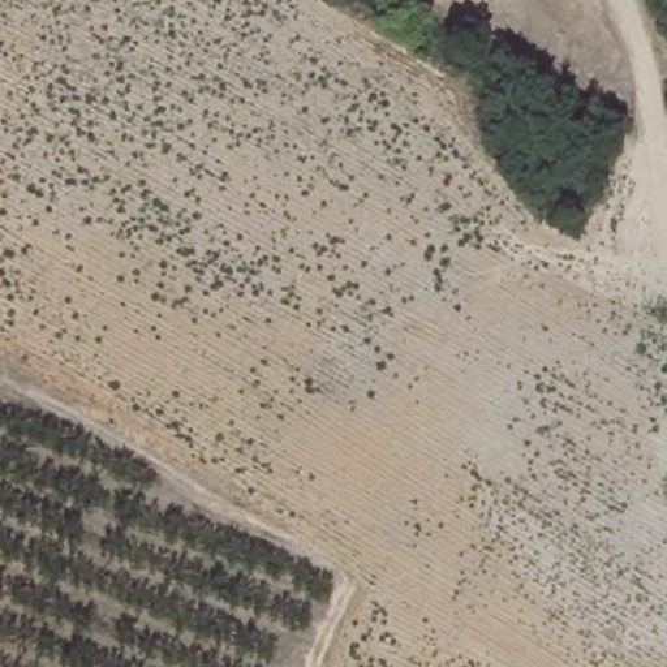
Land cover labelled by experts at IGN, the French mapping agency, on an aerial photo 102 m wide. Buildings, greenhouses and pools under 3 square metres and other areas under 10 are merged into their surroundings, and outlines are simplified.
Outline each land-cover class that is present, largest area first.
<instances>
[{"label":"herbaceous vegetation","instance_id":"1","mask_svg":"<svg viewBox=\"0 0 667 667\"><path fill-rule=\"evenodd\" d=\"M409 128H419L430 141H435V154H419L417 162L427 167V175H435L440 180L448 172L451 177H459L466 172L472 182L482 188V206H490V211H485L482 216L485 227H498L503 221L513 232L524 234L526 224L534 216L524 206V201H518V195L508 188L503 175L495 169V162L479 146L474 96L469 91L466 76H448L435 63L417 57L406 44L378 34L370 26V21L354 18L339 0H0V323H5L8 310H16L13 336L18 339V347H23L29 354H42L50 362L44 378L52 375L57 388H81L104 401L102 409L73 406L31 386L26 399L34 406L83 425L107 446L133 451L135 456L146 459L159 477L180 487V492L185 495L180 505L185 513L203 511L214 521L234 524L255 537L274 542L276 547L289 550L292 555L307 558L313 565L331 571L334 586L341 578H347L354 594L334 631L331 646L320 667H667V419L659 422V433H631L633 422H625L628 406L615 404L607 396H599L597 391H591V383H576V388H568L558 383L552 393H537L532 383L516 380V393L524 404V414L518 419H532L534 427L526 433V440L532 443L521 448L526 472H521L513 479L508 477V472H498L492 477L495 485L482 487L477 492L472 490V477L461 469V464H451V459L427 451L425 461L417 464V469L406 472V479L401 485L404 490H412L419 498L417 508L422 534H414L409 539V547L399 550L391 558V568L380 578L370 571H360V534H344L349 518H334V513L326 508L297 511V518H289V511L294 508L268 490L274 479L271 474L253 472V456L268 461V446L274 440H281V419L287 417L326 419L328 404L349 406L354 412L360 404L375 399L373 388L380 383L383 375L393 378V370L386 362L375 360V352L362 344V339H375L378 331L391 320V315H383L380 307H375V300L362 294L360 289L344 297L328 292L318 297V307H323V313H315V307H307L305 302L300 305V310L281 305L279 297H274L271 287H263L261 294H253V276L261 274L263 266L274 274H281L279 255H266L261 245L253 248V261H248L245 266H227L216 250H193L188 234L193 224L201 219V177L219 180V172H227L224 162L211 154L214 143L219 141L216 133L229 135V151L240 149L245 141L255 143L263 159L268 162L271 177H289V172H297V190L302 193V198H307L318 182L331 185L334 180H344L349 175H354V180L378 177V182H386V175H393V185H401V180L406 177L404 151L409 149ZM373 602H380L388 610V623H375L373 638L365 646H357L354 638H360L370 628ZM594 323L602 331V336H638L636 352L625 362V373L636 375V391L649 393V401L641 404V409L662 406L659 399L667 396V300H659L657 305H625L620 297L610 300V315Z\"/></svg>","mask_w":667,"mask_h":667},{"label":"plowed land","instance_id":"2","mask_svg":"<svg viewBox=\"0 0 667 667\"><path fill-rule=\"evenodd\" d=\"M617 0H492V29H511L521 34L539 50L550 52L558 63H571V73L576 76V83L581 89L597 81L599 89L612 91L617 99L628 104V109H633L636 78L631 50L617 29V21L612 18V5ZM219 141L214 143L211 154L224 162L227 172H219V180L201 177V219L193 224L188 234L193 250H216L227 266H245L248 261H253V248L261 245L266 255H279L281 274H274L263 266L261 274L253 276V294H261L263 287H271L274 297H279L281 305L300 310V305L305 302L307 307H315V313H323V307H318V297L328 292L344 297L360 289L362 294L375 300V307H380L383 315H391V320L378 331L375 339H362V344L375 352V360L386 362L393 370V378L383 375L380 383L373 388L375 399L360 404L354 412L349 406L328 404L326 419L287 417L281 419V440H274L268 446V461L253 456V472L271 474L274 479L268 490L294 508L289 511V518H297V511L326 508L334 513V518H349L344 534H360V571H370L380 578L391 568V558L399 550L409 547V539L414 534H422L417 508L419 498L412 490H404L401 485L406 479V472L417 469V464L425 461L427 451L451 459V464H461V469L472 477V490L477 492L482 487L495 485L492 477L498 472H508V477L513 479L521 472H526L521 448L532 443L526 440V433L534 427L532 419H518L524 414V404L516 393V380L532 383L537 393H552L558 383L568 388H576V383H591V391H597L599 396H607L615 404L628 406L625 422H633L631 433H659V422L667 419V396L659 399L662 406L641 409V404L649 401V393L636 391V375L625 373V362L636 352L638 336H602V331L594 323L610 315V300L599 297L597 292H584L576 284H568L563 276H542V281L532 276L521 279V261L508 258L498 242H485V227L482 216L485 211H490V206H482V188L472 182L466 172L459 177H451L448 172L440 180L435 175H427V167L417 162L419 154H435V141H430L419 128H409V149L404 151L406 177L401 180V185H393V175H386V182H378V177L354 180V175H349L344 180H334L331 185L318 182L307 198H302V193L297 190V172H289V177H271L268 162L263 159L255 143L245 141L240 149L229 151V135L216 133ZM16 310H8L5 323H0V401H18L34 406L26 399L31 386L73 406L102 409L104 401L81 388H57L52 375L44 378L50 362L42 354H29L23 347H18V339L13 336ZM146 503H156L159 508L180 505L185 495L180 492V487L159 477L146 490ZM0 565H5L13 576L34 578L36 584H44V573L39 568H26L23 560H10L0 552ZM375 623H388V610L380 602H373L370 628L360 638H354L357 646H365L373 638ZM255 625L261 631L276 633V651L271 667H305V654L313 641L310 625L305 631H292L281 620L261 615Z\"/></svg>","mask_w":667,"mask_h":667},{"label":"deciduous trees","instance_id":"3","mask_svg":"<svg viewBox=\"0 0 667 667\"><path fill-rule=\"evenodd\" d=\"M354 18L370 21V26L378 34L406 44L417 57L435 63L448 76H466L469 91L474 96L479 146L495 162V169L503 175L508 188L518 195V201H524V206L534 216L568 237L584 234V227L594 206H599L610 195L612 167L623 154L625 135L636 128L633 109H628V104L617 99L612 91L599 89L597 81L581 89L576 83V76L571 73V63H558L550 52L539 50L521 34L511 29H492V0H339ZM657 29L651 34V52L659 78L664 83L667 107V0H641ZM159 477L146 459L135 456L133 451L107 446L83 425L34 406L18 401H0V552L10 560H23L26 568H39L44 573V584H36L34 578L13 576L5 565H0V667H271L276 651V633L261 631L255 625L261 615L281 620L292 631H305L310 625L323 620L334 586L331 571L313 565L307 558L292 555L289 550L276 547L274 542L255 537L234 524L214 521L203 511L185 513L180 505L159 508L156 503H146V490Z\"/></svg>","mask_w":667,"mask_h":667},{"label":"pervious surface","instance_id":"4","mask_svg":"<svg viewBox=\"0 0 667 667\"><path fill-rule=\"evenodd\" d=\"M612 18L617 21V29L631 50L636 78L633 109L636 128L625 135L623 154L612 167L610 195L599 206H594L584 227V234L568 237L534 216L526 224L524 234L513 232L503 221L498 227H485V242H498L508 258L521 261V279L532 276L542 281V276H563L568 284H576L584 292H597L599 297L610 300L620 297L625 305H657L659 300H667V107L664 83L659 78L651 52V34L657 29L641 0H617L612 5ZM354 594L347 578H341L334 586L323 620L310 625L313 641L305 654V667H320L331 646L334 631Z\"/></svg>","mask_w":667,"mask_h":667}]
</instances>
